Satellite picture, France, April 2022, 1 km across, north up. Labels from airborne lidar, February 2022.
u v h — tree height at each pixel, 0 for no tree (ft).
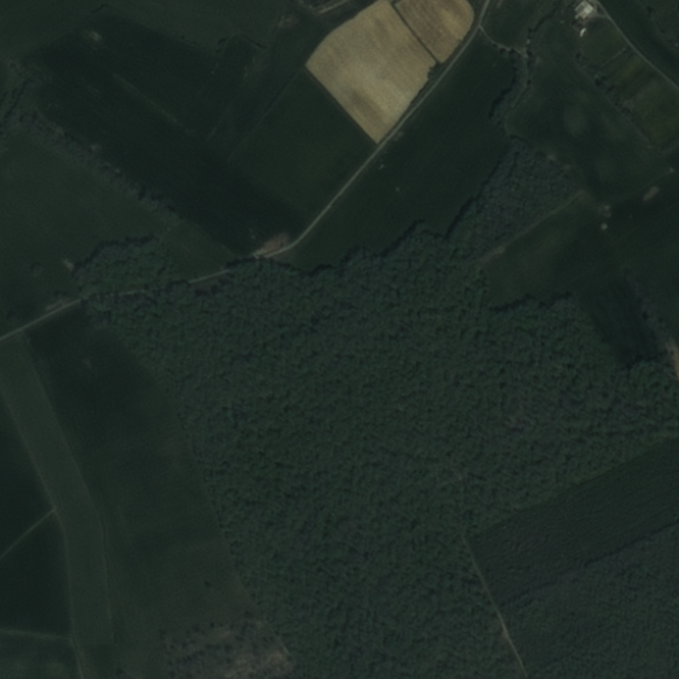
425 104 0
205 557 0
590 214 0
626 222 0
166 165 0
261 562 82
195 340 77
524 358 85
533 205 64
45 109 0
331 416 78
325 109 0
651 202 0
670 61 0
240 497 68
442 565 85
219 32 0
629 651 77
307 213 0
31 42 0
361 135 0
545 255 0
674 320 0
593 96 0
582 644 55
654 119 0
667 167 0
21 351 0
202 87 0
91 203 0
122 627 0
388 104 0
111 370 0
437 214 0
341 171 0
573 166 0
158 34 0
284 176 0
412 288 79
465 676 82
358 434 77
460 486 74
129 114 0
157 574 0
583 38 0
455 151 0
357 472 65
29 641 0
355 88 0
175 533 0
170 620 0
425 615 90
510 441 87
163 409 0
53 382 0
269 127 0
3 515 0
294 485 78
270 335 86
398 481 71
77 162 45
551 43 0
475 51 0
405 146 0
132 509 0
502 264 0
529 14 0
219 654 56
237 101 0
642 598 73
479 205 41
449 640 75
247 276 61
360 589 95
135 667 0
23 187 0
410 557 84
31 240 0
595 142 0
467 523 68
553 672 58
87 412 0
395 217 0
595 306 0
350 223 0
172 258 44
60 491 0
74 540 0
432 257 71
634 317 0
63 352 0
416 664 69
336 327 74
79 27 0
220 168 0
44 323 0
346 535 91
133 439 0
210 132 0
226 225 0
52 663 0
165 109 0
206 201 0
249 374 85
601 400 87
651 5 0
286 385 82
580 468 84
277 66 0
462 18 0
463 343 74
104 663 0
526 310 61
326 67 0
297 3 0
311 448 82
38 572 0
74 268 0
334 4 0
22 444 0
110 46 0
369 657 72
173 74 0
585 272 0
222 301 74
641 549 56
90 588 0
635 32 0
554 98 0
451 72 0
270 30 0
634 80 0
